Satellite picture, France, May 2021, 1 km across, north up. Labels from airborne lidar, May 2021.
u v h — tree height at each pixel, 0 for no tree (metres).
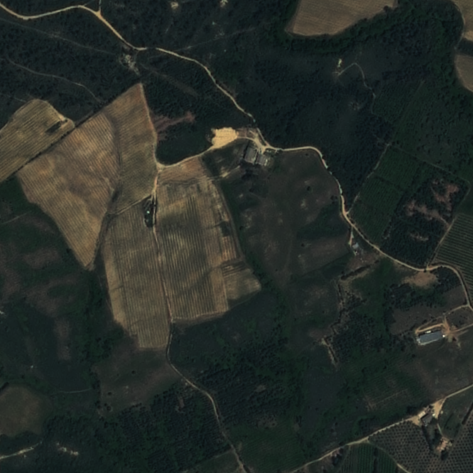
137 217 0
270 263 0
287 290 0
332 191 0
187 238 0
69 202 0
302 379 7
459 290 0
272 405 10
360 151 10
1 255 0
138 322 0
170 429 10
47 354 0
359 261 0
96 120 0
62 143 0
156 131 0
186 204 0
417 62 5
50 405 0
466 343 0
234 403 13
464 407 0
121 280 0
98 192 0
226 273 0
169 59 17
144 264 0
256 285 0
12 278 0
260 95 12
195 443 5
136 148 0
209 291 0
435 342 0
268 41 7
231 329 0
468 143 7
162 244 0
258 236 0
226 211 0
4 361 0
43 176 0
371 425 7
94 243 0
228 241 0
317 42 12
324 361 0
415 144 0
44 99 14
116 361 0
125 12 12
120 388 0
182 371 0
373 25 8
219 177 0
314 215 0
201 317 0
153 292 0
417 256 7
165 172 0
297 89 14
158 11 22
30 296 0
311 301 0
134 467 11
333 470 0
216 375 16
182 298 0
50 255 0
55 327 0
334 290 0
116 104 0
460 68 0
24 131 0
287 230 0
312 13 0
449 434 0
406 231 8
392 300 9
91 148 0
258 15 21
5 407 0
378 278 0
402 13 9
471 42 0
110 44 12
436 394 0
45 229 0
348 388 9
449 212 9
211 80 8
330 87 15
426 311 0
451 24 18
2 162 0
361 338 7
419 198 6
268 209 0
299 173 0
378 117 14
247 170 10
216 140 0
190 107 9
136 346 0
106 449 7
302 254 0
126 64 12
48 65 17
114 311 0
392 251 10
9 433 0
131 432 11
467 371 0
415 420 0
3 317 0
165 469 14
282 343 14
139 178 0
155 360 0
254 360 12
